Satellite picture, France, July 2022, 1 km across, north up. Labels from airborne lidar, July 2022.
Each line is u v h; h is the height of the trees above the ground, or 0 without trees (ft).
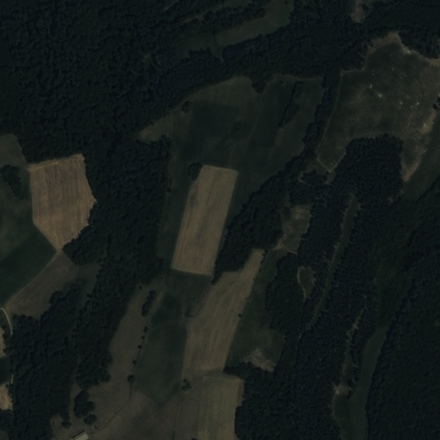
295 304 42
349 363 0
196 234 0
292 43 78
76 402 44
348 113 0
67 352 49
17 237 0
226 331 0
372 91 0
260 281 0
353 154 54
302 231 0
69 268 0
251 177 0
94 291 27
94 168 62
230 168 0
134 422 0
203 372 0
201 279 0
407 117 0
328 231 63
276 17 0
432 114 0
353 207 0
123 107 98
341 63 79
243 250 53
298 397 66
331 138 0
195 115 0
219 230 0
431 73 0
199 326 0
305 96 0
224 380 0
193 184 0
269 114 0
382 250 60
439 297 52
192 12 41
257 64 59
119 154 71
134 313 0
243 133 0
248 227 74
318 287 54
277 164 0
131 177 72
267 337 0
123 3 88
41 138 95
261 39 55
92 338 50
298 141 0
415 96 0
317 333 58
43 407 68
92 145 93
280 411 74
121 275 53
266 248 50
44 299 0
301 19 67
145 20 50
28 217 0
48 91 30
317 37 40
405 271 30
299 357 64
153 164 86
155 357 0
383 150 36
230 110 0
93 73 87
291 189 51
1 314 0
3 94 57
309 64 41
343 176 53
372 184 53
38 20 122
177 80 62
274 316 40
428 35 68
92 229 61
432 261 67
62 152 66
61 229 0
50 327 91
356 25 68
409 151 0
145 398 0
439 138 0
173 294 0
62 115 86
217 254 0
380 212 64
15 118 25
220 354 0
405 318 80
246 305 0
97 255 23
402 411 49
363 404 0
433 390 32
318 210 58
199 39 0
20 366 69
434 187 57
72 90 81
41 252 0
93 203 0
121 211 97
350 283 58
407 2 53
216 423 0
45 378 62
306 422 55
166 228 0
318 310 0
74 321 63
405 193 0
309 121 0
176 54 86
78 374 30
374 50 0
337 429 73
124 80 55
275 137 0
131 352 0
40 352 69
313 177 48
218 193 0
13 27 100
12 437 77
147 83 108
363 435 0
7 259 0
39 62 26
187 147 0
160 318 0
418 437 63
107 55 111
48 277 0
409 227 68
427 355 67
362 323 74
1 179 0
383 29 73
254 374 46
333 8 26
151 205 83
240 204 0
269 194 68
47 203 0
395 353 74
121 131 92
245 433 77
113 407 0
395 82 0
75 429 0
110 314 47
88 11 87
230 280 0
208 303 0
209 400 0
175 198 0
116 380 0
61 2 79
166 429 0
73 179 0
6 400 0
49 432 58
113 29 103
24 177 0
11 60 41
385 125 0
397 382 58
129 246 83
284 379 59
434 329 51
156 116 78
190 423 0
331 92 82
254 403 78
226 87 0
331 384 70
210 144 0
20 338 38
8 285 0
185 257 0
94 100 89
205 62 82
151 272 58
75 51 85
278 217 51
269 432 81
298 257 44
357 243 68
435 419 61
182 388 27
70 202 0
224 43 0
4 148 0
